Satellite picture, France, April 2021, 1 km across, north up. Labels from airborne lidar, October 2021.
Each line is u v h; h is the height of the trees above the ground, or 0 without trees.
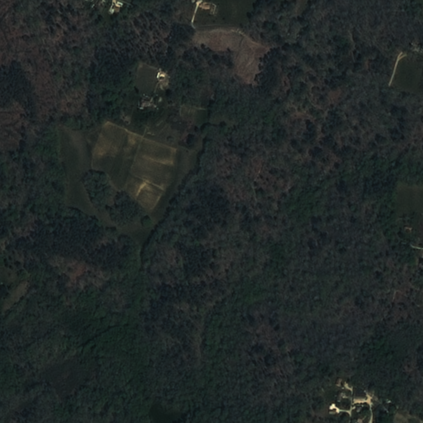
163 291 10
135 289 24
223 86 20
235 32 0
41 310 16
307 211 25
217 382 24
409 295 11
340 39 20
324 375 18
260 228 24
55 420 17
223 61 12
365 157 16
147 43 25
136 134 0
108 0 16
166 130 0
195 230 21
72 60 22
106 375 21
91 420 19
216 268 25
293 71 15
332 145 24
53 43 9
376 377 10
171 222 19
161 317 25
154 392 19
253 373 11
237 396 19
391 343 15
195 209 24
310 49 21
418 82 0
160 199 0
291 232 17
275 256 22
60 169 17
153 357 24
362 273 17
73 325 9
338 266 17
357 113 19
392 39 11
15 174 14
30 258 22
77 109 12
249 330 11
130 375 27
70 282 28
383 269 12
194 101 24
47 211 23
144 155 0
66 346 18
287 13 18
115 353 24
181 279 14
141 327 14
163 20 22
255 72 0
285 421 21
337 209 16
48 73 13
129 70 23
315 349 15
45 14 10
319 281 17
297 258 12
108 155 0
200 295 26
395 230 21
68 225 28
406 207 0
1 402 27
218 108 17
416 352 16
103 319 19
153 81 0
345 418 14
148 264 23
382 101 22
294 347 9
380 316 7
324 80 11
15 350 10
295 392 18
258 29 14
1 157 27
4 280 0
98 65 21
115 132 0
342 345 9
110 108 24
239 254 18
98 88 20
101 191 22
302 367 17
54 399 20
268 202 13
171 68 23
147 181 0
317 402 18
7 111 26
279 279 13
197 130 15
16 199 15
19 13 21
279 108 17
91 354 8
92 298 21
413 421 0
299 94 19
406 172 27
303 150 8
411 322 17
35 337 9
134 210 25
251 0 0
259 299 25
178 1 16
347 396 0
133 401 25
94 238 28
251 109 17
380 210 13
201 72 19
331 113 13
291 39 20
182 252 21
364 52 17
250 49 0
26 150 32
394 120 14
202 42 0
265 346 9
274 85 27
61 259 25
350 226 8
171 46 25
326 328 11
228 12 0
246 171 12
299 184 17
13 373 26
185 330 24
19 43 11
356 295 16
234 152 21
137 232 0
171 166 0
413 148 12
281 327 7
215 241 13
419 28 14
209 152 13
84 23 14
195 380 27
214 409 26
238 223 16
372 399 0
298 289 16
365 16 20
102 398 23
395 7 21
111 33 13
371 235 19
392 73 14
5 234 19
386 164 18
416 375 14
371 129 21
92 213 0
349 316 6
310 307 17
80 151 0
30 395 22
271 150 27
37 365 20
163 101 0
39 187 19
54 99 11
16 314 13
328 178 11
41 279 18
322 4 18
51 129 22
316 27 9
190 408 27
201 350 16
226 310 22
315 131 27
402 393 13
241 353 19
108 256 27
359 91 15
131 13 12
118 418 23
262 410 17
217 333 29
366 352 13
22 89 28
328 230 10
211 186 14
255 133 20
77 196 0
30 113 29
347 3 23
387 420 14
